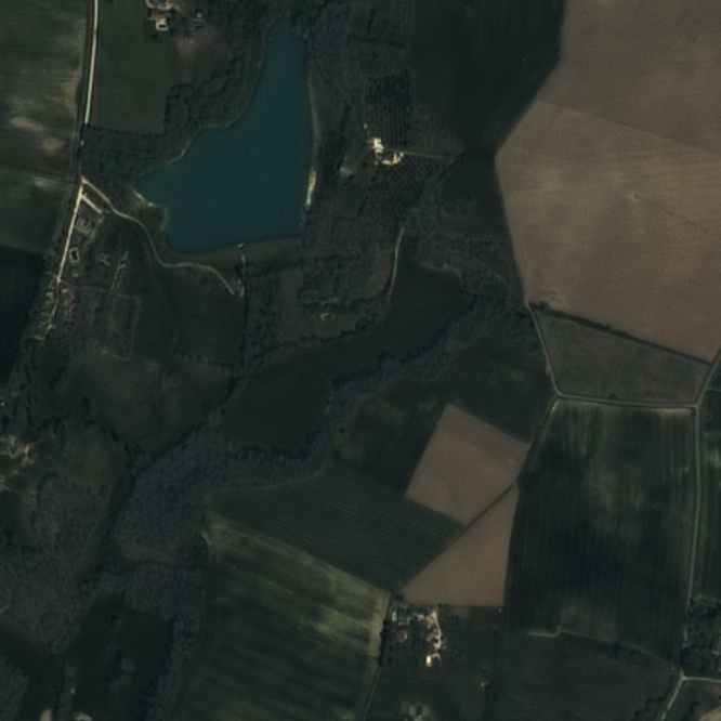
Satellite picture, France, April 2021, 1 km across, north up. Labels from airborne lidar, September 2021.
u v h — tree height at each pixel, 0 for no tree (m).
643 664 9
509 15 0
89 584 12
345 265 13
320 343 17
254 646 0
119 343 24
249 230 0
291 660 0
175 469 20
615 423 0
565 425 0
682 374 0
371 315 10
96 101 0
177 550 9
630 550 0
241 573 0
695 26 0
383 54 19
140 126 0
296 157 0
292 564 0
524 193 0
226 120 22
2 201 0
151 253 0
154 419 0
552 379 0
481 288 16
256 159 0
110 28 0
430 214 7
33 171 0
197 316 0
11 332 0
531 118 0
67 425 13
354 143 15
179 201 0
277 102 0
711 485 0
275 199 0
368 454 0
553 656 0
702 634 16
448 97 0
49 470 0
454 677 0
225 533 0
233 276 0
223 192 0
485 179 0
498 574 0
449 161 11
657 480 0
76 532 23
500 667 0
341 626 0
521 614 0
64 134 0
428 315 0
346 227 12
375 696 0
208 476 18
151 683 0
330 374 0
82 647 0
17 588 18
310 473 16
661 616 0
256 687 0
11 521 0
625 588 0
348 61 16
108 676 0
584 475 0
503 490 0
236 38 18
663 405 0
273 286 14
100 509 22
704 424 0
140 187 0
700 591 0
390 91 8
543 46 0
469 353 0
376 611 0
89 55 0
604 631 0
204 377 0
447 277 0
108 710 0
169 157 18
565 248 0
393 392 0
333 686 0
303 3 22
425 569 0
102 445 0
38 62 0
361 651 0
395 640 8
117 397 0
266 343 14
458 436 0
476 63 0
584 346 0
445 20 0
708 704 0
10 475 0
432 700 0
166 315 0
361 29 6
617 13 0
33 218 0
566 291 0
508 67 0
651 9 0
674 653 0
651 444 0
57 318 13
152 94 0
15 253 0
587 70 0
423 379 14
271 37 6
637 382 0
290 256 0
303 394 0
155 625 0
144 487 25
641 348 0
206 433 17
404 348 0
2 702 18
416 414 0
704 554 0
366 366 0
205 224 0
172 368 0
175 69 0
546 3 0
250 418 0
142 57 0
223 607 0
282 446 0
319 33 18
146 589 15
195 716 0
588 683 0
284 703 0
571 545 0
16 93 0
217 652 0
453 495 0
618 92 0
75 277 0
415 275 0
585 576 0
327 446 11
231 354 0
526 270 0
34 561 27
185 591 25
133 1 0
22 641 0
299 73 0
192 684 0
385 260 0
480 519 0
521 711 0
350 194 0
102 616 0
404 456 0
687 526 0
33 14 0
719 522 0
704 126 0
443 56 0
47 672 0
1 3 0
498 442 0
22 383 10
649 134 0
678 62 0
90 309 15
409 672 0
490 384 0
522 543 0
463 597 0
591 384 0
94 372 0
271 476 21
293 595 0
